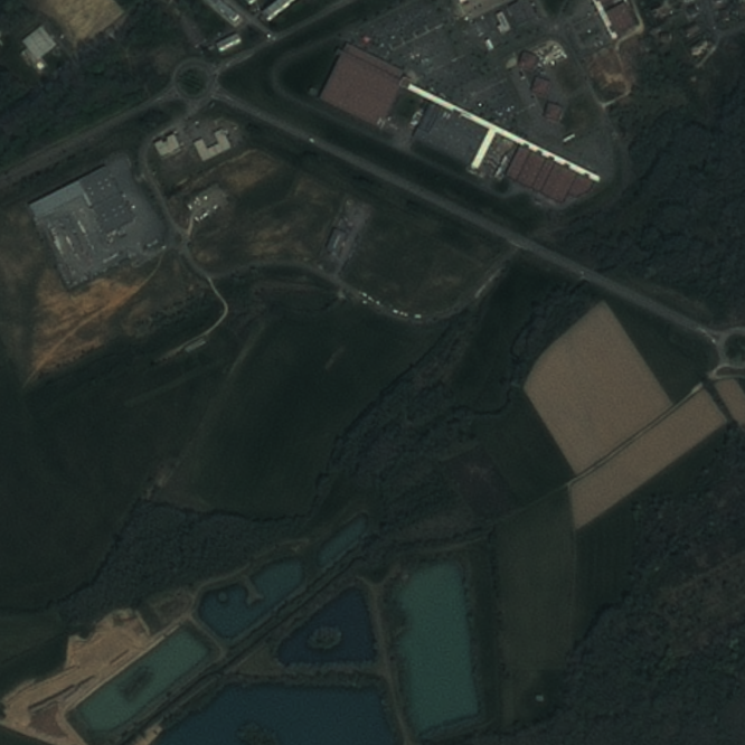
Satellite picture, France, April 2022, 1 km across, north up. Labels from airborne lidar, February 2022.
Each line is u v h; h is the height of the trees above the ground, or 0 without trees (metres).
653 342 0
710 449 0
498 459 0
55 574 0
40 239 0
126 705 0
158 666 0
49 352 0
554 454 0
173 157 0
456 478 0
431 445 20
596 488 0
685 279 11
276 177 0
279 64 0
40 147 25
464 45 0
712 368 0
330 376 0
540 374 0
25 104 18
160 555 13
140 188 0
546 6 0
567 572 0
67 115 30
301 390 0
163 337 0
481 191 0
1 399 0
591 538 0
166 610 0
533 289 0
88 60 25
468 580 0
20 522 0
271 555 0
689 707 22
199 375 0
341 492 0
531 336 10
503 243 0
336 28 0
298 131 0
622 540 0
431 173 0
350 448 21
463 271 0
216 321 0
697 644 0
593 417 0
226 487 0
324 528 0
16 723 0
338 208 0
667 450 0
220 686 11
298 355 0
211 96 0
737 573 0
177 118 0
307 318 0
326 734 0
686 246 20
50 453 0
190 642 0
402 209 0
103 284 0
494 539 10
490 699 0
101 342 0
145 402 0
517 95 0
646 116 0
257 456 0
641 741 0
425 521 0
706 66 0
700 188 22
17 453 0
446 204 0
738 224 12
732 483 0
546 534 0
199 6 23
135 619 0
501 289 0
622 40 0
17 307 0
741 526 10
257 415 0
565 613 0
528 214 0
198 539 15
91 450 0
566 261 0
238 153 0
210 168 0
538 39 0
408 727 0
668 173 26
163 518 18
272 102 0
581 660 12
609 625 24
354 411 0
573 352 0
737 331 0
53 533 0
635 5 0
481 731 0
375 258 0
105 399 0
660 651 20
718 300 7
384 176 0
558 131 0
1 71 9
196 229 0
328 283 0
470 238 0
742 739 0
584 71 0
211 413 0
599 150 0
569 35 0
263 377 0
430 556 0
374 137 0
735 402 0
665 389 0
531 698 0
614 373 0
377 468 27
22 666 0
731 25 0
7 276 0
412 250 0
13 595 0
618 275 0
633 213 0
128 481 0
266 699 0
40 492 0
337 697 0
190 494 0
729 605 0
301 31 0
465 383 0
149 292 0
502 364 0
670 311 0
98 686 0
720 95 0
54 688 0
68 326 0
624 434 0
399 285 0
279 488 0
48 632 0
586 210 0
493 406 0
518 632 0
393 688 0
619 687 24
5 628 0
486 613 0
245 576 0
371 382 0
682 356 0
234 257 0
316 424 0
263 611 0
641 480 0
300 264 0
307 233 0
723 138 20
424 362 7
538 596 0
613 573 0
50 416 0
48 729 0
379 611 0
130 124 0
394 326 0
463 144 0
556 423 0
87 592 18
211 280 0
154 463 0
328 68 0
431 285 0
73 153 0
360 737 0
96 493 0
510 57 0
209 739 0
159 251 0
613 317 0
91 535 0
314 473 0
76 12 0
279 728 0
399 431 24
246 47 0
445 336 6
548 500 0
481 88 0
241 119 0
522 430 0
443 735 0
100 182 0
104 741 0
